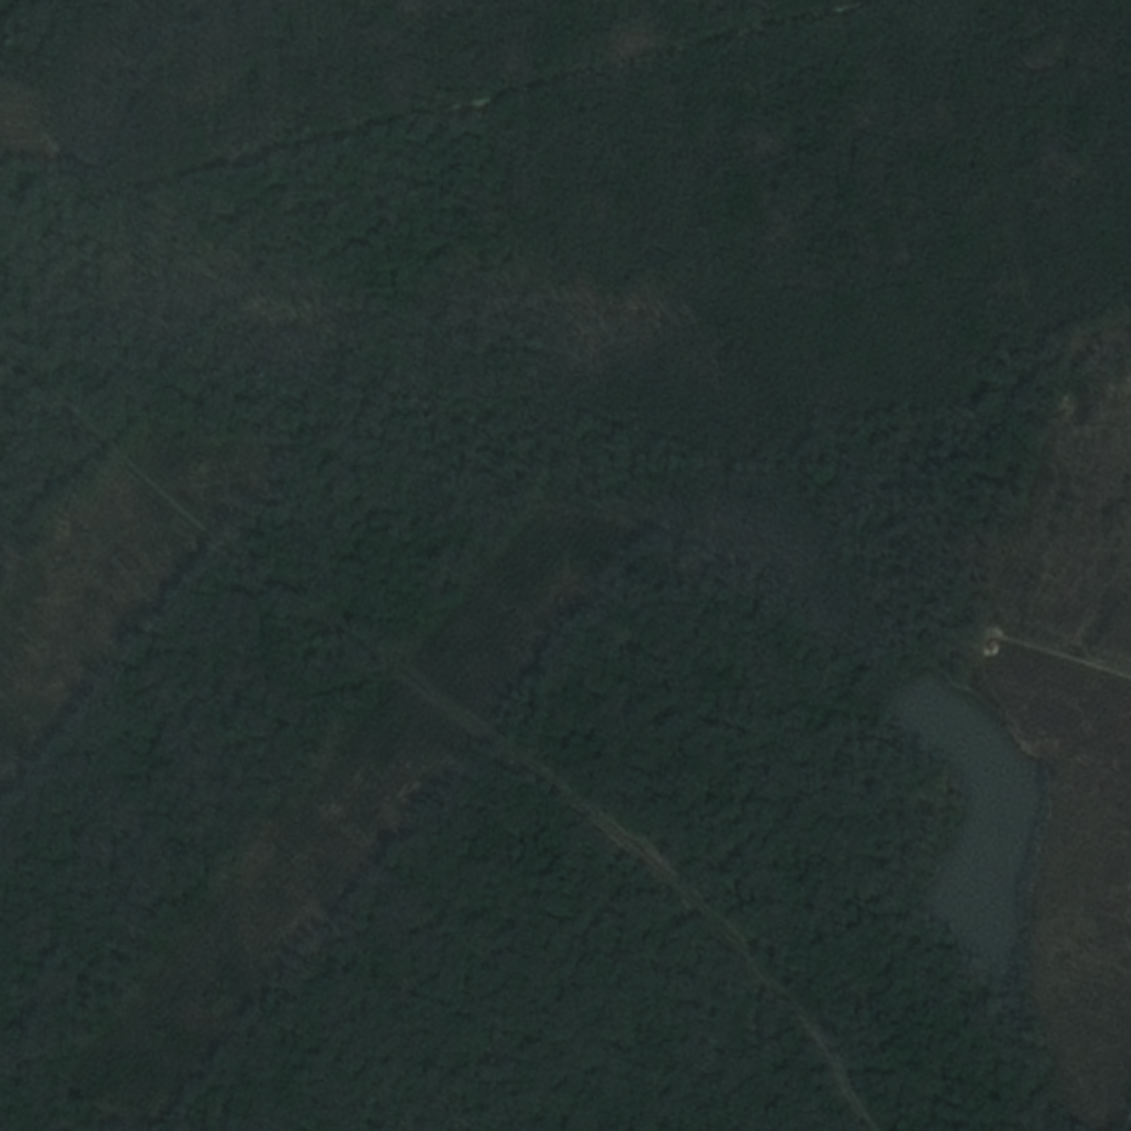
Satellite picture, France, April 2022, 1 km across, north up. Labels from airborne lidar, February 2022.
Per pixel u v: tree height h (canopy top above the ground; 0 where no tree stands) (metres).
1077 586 0
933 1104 19
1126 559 0
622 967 25
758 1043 13
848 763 16
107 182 17
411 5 20
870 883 28
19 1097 22
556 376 15
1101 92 19
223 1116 24
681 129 17
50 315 22
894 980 21
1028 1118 32
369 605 21
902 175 17
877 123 17
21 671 0
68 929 22
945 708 0
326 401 23
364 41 16
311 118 16
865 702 19
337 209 22
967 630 25
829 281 20
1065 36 20
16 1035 20
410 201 23
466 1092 29
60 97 15
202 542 0
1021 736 0
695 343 12
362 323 22
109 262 25
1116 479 0
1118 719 0
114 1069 8
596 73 15
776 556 16
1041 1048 27
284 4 22
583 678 20
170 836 14
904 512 22
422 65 17
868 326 15
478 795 21
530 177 17
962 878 0
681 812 23
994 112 16
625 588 29
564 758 20
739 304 13
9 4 12
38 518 25
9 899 21
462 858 25
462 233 22
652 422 16
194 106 13
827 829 23
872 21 16
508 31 15
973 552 25
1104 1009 0
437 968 22
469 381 23
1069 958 0
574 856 26
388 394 20
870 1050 23
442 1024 25
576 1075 28
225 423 23
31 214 30
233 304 14
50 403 26
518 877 24
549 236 15
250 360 23
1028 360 23
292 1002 21
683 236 13
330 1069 30
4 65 22
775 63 18
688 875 22
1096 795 0
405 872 19
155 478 0
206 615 26
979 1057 24
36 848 24
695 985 30
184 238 20
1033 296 13
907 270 17
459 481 26
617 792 26
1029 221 13
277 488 12
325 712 16
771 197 24
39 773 24
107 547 0
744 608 20
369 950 27
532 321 7
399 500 26
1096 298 13
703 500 14
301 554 23
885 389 13
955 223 14
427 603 23
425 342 18
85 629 0
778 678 22
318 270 20
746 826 26
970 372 13
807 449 24
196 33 18
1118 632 0
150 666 16
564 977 26
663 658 23
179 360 22
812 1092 23
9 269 11
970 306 14
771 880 26
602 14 15
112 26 14
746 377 11
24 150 0
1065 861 0
